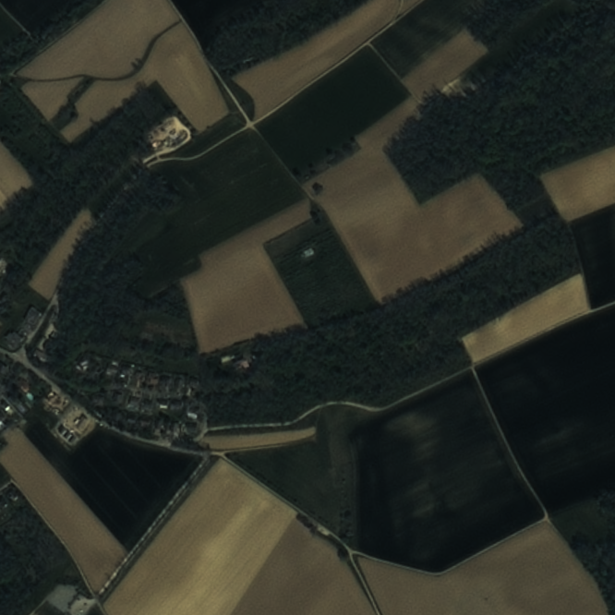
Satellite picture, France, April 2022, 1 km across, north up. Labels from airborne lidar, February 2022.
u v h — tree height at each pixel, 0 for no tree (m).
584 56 26
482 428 0
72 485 0
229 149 0
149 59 0
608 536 0
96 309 18
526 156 30
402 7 0
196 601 0
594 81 26
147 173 24
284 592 0
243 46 23
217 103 0
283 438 0
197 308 0
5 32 0
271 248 0
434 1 0
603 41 28
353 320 24
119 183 0
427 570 0
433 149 23
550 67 27
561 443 0
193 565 0
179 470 0
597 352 0
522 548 0
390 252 0
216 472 0
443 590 0
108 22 0
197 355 17
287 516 0
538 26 0
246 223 0
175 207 14
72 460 0
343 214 0
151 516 0
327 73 0
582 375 0
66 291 16
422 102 0
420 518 0
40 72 0
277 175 0
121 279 26
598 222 0
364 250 0
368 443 0
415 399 0
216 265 0
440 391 0
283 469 0
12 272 22
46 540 15
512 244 23
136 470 0
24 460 0
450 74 0
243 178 0
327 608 0
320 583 0
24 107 6
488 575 0
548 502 0
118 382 12
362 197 0
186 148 0
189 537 0
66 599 0
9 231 10
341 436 0
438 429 0
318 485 0
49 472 0
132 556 14
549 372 0
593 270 0
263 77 0
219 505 0
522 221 0
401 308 23
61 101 0
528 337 0
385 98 0
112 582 20
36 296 0
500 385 0
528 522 0
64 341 7
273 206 0
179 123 0
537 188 24
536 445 0
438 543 0
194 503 0
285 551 0
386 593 0
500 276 23
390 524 0
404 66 0
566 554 0
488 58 0
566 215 0
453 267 0
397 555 0
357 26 0
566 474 0
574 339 0
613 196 0
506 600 0
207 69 0
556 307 0
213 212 0
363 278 0
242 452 0
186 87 0
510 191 22
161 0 0
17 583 20
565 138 32
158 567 0
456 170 28
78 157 25
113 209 26
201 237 0
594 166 0
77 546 0
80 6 7
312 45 0
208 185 0
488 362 0
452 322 26
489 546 0
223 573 0
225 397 21
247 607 0
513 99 30
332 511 0
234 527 0
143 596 0
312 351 20
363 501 0
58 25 9
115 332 22
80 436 0
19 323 0
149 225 0
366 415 0
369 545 0
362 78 0
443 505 0
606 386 0
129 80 0
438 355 29
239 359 0
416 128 25
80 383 14
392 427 0
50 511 0
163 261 0
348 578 0
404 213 0
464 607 0
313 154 0
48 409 0
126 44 0
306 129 0
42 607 0
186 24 0
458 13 0
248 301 0
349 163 0
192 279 0
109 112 0
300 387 27
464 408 0
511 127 27
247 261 0
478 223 0
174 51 0
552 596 0
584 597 0
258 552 0
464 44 0
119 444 0
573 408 0
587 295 0
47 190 24
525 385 0
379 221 0
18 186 0
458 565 0
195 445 20
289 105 0
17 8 0
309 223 0
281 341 21
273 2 0
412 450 0
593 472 0
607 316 0
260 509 0
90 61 0
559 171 0
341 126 0
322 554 0
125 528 0
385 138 0
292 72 0
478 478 0
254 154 0
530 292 28
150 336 0
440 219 0
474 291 26
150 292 0
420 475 0
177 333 0
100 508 0
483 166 26
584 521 0
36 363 19
